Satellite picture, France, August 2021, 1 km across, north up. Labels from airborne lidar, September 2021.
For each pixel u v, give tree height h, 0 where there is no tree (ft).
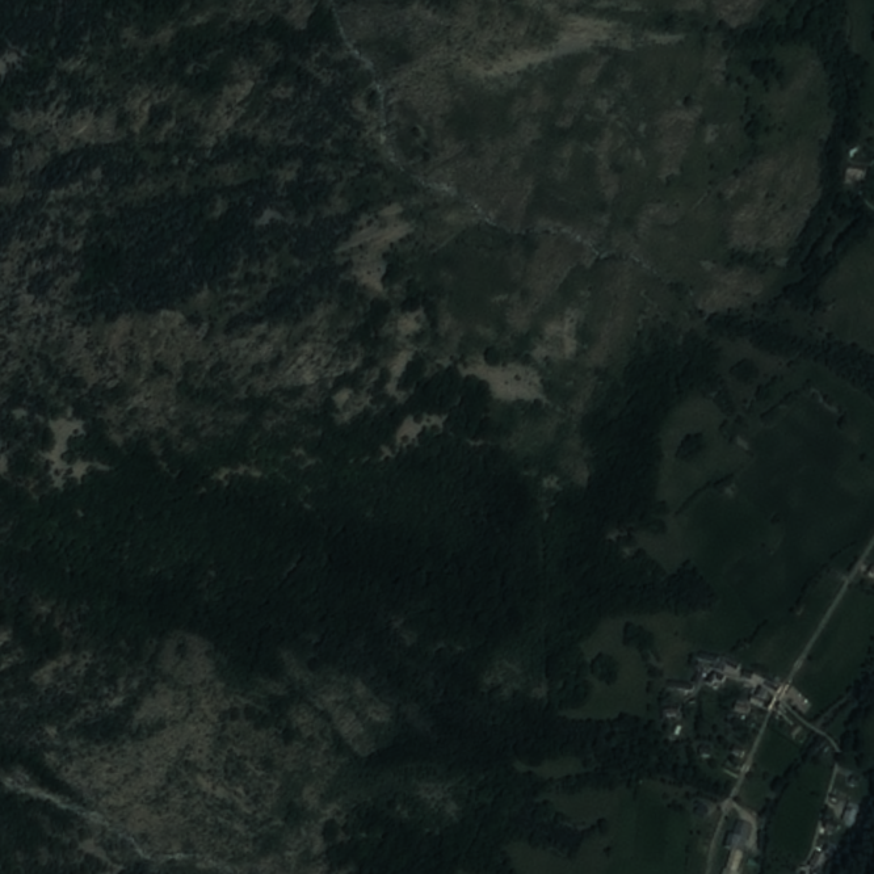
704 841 0
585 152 0
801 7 29
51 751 25
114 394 36
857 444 0
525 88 0
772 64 40
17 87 20
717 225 0
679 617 39
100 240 23
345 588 77
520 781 56
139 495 56
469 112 0
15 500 33
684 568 23
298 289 21
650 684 30
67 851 28
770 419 18
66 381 27
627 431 44
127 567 29
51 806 46
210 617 60
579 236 0
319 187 29
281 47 18
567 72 0
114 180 22
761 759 0
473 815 21
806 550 0
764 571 0
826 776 0
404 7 0
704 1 0
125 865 19
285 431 22
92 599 51
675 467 0
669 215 0
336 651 40
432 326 22
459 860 48
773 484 0
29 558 47
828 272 25
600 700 0
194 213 35
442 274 0
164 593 63
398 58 0
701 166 0
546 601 25
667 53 0
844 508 0
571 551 51
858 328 0
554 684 31
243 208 24
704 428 0
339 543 75
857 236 36
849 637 0
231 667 21
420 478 35
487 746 55
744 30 38
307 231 21
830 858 18
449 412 35
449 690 48
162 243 35
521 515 63
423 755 60
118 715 24
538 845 42
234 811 28
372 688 30
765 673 21
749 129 41
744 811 0
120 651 34
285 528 40
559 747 57
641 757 43
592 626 29
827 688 0
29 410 29
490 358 59
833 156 58
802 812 0
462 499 37
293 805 26
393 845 58
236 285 18
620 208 0
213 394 20
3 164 35
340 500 38
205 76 25
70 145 18
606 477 45
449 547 51
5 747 27
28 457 23
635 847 0
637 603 50
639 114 0
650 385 47
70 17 20
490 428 40
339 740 31
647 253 0
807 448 0
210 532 46
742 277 0
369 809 35
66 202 21
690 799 34
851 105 71
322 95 22
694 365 28
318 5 34
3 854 31
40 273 21
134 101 20
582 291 0
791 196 0
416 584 75
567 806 0
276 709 32
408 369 32
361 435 41
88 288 28
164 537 34
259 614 38
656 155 0
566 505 36
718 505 0
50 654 39
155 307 22
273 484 40
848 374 34
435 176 0
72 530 46
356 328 26
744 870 0
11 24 19
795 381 0
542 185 0
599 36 0
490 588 99
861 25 0
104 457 47
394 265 33
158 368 26
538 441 0
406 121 0
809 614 0
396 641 27
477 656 67
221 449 29
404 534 59
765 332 42
